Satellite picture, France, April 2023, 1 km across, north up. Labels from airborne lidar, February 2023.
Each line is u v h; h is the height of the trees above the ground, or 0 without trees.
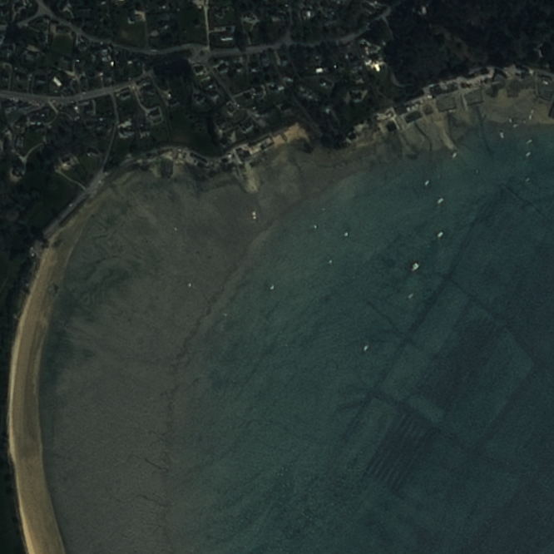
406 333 0
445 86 0
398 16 19
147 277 0
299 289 0
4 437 9
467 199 0
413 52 12
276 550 0
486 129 0
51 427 0
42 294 0
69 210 0
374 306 0
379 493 0
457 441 0
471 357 0
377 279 0
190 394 0
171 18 8
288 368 0
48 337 0
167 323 0
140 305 0
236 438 0
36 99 0
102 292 0
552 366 0
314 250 0
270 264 0
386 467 0
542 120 0
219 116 7
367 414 0
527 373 0
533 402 0
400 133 0
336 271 0
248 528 0
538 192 0
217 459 0
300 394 0
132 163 0
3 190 18
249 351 0
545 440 0
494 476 0
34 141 0
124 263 0
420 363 0
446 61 7
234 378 0
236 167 0
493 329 0
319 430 0
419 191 0
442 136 0
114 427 0
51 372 0
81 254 0
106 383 0
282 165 0
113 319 0
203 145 0
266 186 0
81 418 0
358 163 0
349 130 7
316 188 0
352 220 0
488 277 0
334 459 0
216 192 0
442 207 0
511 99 0
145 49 0
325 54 15
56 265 0
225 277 0
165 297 0
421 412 0
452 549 0
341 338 0
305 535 0
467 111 0
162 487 0
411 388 0
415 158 0
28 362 0
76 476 0
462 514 0
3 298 0
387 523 0
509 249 0
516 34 22
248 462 0
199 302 0
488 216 0
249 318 0
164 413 0
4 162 16
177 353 0
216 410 0
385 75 0
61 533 0
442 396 0
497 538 0
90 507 0
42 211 0
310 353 0
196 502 0
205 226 0
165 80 7
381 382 0
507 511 0
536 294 0
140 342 0
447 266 0
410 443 0
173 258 0
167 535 0
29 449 0
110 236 0
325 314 0
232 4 15
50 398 0
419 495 0
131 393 0
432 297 0
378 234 0
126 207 0
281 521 0
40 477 0
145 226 0
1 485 0
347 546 0
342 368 0
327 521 0
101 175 0
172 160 0
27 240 19
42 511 0
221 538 0
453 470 0
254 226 0
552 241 0
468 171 0
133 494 0
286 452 0
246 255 0
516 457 0
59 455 0
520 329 0
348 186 0
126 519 0
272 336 0
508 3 12
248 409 0
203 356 0
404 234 0
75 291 0
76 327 0
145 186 0
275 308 0
